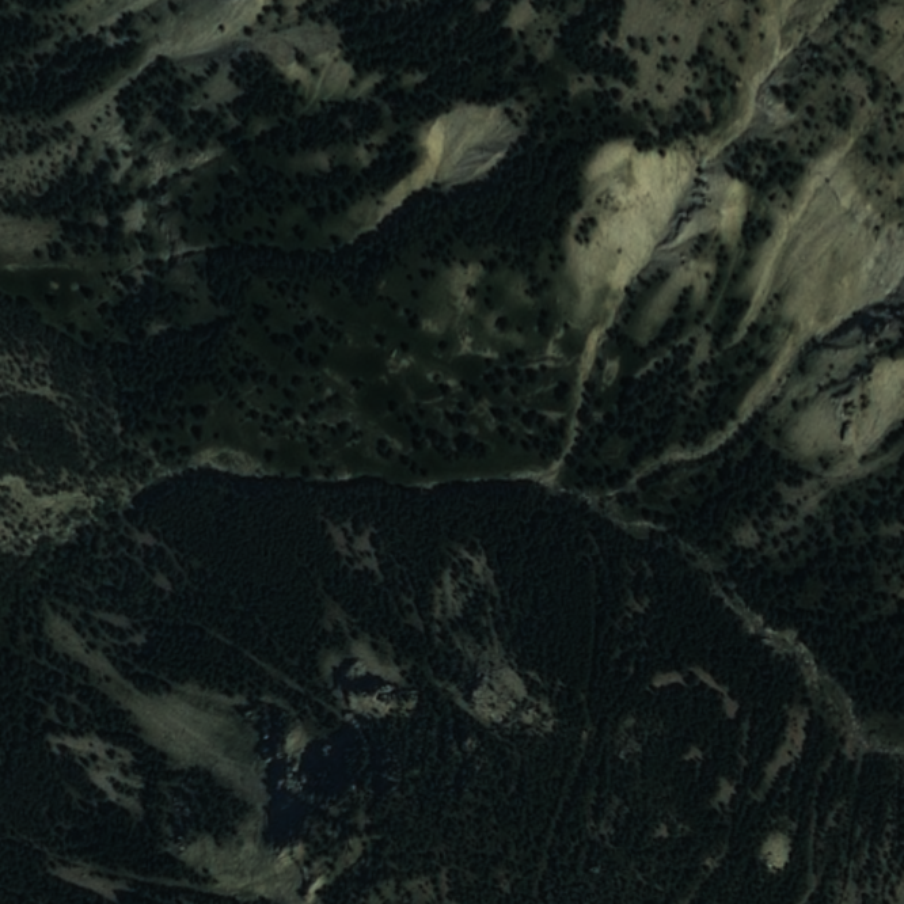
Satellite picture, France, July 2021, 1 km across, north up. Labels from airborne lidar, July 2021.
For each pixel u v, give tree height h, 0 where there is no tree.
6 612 10
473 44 16
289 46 0
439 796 8
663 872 10
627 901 8
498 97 12
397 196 0
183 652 18
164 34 0
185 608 15
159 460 9
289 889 0
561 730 7
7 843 20
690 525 15
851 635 18
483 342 0
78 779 21
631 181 0
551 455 11
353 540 17
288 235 0
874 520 22
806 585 21
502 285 0
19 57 12
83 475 11
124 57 17
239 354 9
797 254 0
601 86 15
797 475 16
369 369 0
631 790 12
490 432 0
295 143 15
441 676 9
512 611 8
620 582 23
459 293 0
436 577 21
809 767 16
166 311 25
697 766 14
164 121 20
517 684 0
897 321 6
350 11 15
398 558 12
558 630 21
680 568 20
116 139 0
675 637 19
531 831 12
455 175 0
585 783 12
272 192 14
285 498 20
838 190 0
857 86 0
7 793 20
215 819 11
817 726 17
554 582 19
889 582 11
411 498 14
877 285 0
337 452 0
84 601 15
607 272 0
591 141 9
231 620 14
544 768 15
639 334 0
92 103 0
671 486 0
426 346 0
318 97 0
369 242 21
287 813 0
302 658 7
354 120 10
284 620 22
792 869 9
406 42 15
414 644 14
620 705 14
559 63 0
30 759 25
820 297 0
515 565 21
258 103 19
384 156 11
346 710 0
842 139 0
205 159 0
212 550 26
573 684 21
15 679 21
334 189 12
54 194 17
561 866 6
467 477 0
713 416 18
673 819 8
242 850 0
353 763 10
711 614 22
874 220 0
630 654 22
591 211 0
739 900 9
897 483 13
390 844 11
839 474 0
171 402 25
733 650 14
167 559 19
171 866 13
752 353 9
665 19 0
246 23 0
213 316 0
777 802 10
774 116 0
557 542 11
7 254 0
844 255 0
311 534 22
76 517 10
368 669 0
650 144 13
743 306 9
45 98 24
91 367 19
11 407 11
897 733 0
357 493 14
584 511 16
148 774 11
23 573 12
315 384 9
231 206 14
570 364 0
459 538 21
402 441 0
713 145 0
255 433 0
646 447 15
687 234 0
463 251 0
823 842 8
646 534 0
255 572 23
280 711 6
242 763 0
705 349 0
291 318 0
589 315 0
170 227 0
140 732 12
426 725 7
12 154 11
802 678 9
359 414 0
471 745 7
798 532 13
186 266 0
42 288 0
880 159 8
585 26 16
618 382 0
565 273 0
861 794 8
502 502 26
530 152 17
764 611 13
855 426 0
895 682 9
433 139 0
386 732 6
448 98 13
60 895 21
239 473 0
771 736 14
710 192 0
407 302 0
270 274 21
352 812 10
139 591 20
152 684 17
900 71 0
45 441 17
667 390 14
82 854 20
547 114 8
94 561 10
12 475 8
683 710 16
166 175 0
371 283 23
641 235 0
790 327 0
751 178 13
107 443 15
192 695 0
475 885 7
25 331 22
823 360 0
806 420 0
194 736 0
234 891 0
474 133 0
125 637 20
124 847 21
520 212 18
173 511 26
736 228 0
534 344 0
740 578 18
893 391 0
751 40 0
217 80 0
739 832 9
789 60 0
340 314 0
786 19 0
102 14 0
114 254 17
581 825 13
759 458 23
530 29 0
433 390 0
